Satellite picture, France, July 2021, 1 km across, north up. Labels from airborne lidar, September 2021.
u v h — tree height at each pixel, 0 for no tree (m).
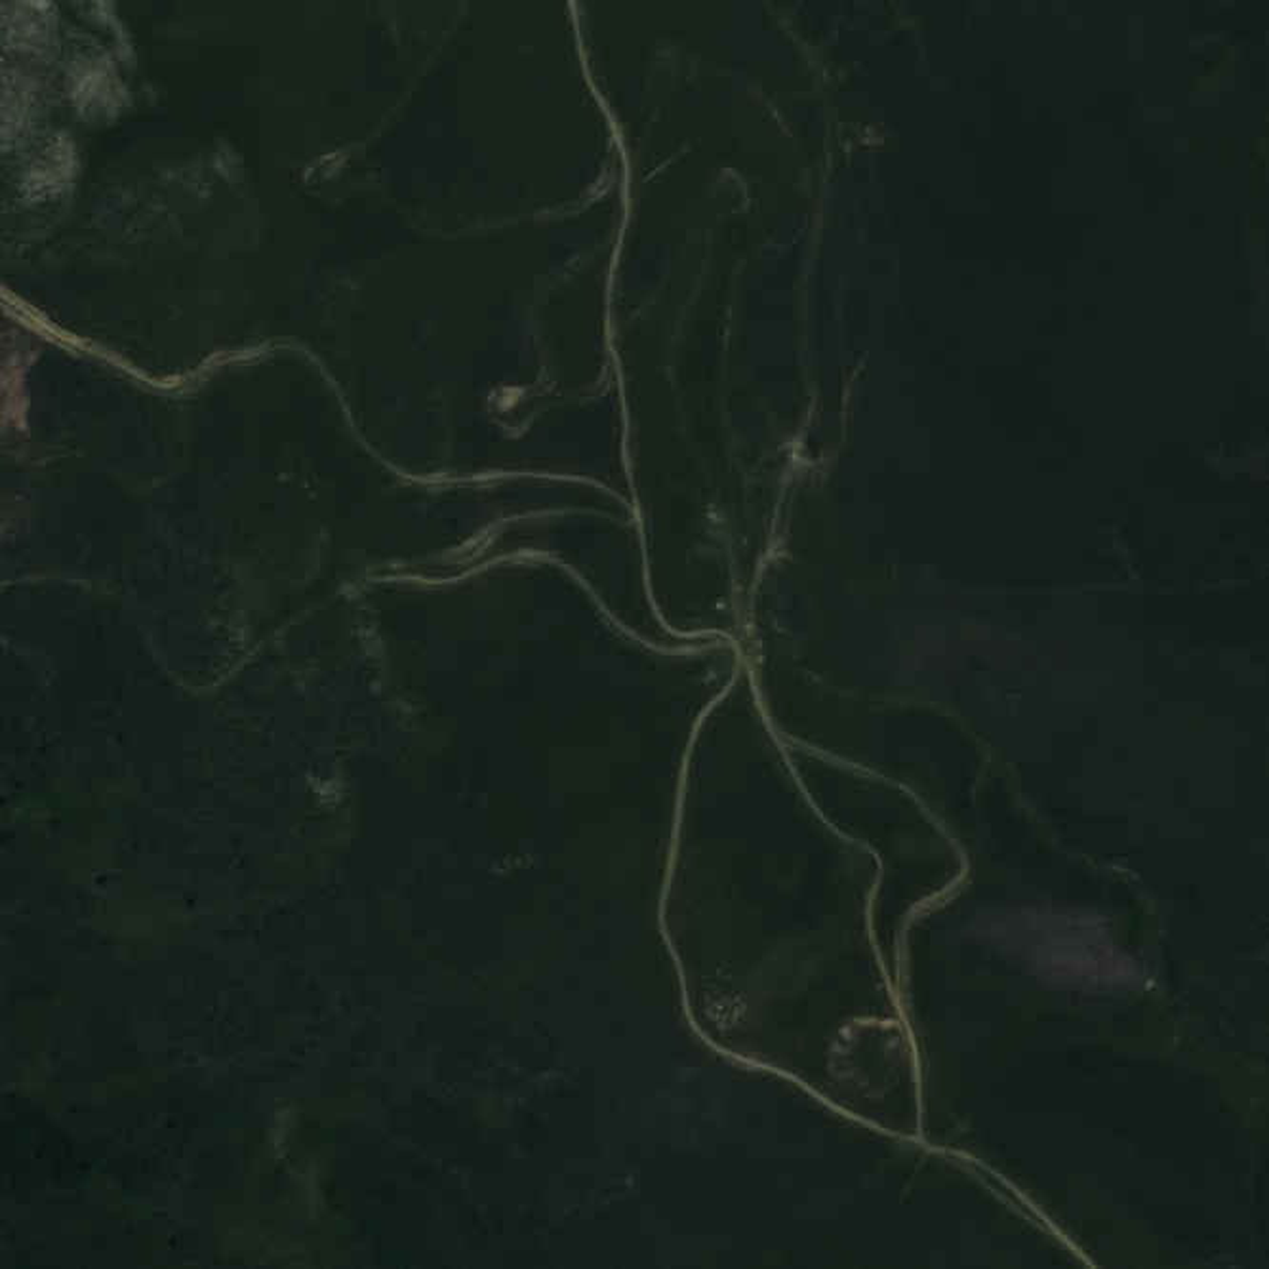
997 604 0
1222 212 0
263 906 0
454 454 0
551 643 0
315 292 0
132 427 0
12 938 0
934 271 0
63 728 0
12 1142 7
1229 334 0
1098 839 0
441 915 0
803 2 0
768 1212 0
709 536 0
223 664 0
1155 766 0
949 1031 0
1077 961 0
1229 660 0
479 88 0
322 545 0
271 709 0
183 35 0
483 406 0
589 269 0
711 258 0
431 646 0
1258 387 0
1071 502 0
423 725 0
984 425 0
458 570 0
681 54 0
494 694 0
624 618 0
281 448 0
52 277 0
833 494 0
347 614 0
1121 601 0
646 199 0
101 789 0
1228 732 0
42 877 0
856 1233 0
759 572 0
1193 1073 0
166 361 0
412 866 0
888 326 0
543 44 0
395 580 0
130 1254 0
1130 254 0
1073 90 0
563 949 0
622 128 0
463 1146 0
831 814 0
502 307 0
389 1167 0
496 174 0
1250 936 0
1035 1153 0
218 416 0
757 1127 0
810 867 0
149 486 0
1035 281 0
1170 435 0
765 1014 0
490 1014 0
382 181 0
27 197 0
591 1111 0
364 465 0
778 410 0
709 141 0
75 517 0
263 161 0
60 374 0
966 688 0
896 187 0
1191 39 0
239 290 0
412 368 0
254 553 0
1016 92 0
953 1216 0
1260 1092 0
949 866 0
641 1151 0
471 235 0
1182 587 0
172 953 0
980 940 0
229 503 0
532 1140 0
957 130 0
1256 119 0
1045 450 0
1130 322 0
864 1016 0
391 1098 0
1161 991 0
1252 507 0
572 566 0
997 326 0
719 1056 0
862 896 0
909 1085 0
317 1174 0
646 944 0
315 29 0
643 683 0
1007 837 0
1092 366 0
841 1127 0
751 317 0
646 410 0
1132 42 0
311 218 0
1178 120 0
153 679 0
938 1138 0
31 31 0
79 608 0
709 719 0
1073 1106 0
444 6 0
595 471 0
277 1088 0
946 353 0
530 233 0
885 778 0
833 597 0
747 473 0
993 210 0
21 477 0
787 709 0
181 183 0
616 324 0
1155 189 0
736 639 0
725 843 0
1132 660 0
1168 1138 0
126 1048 0
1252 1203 0
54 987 0
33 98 0
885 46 0
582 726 0
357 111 0
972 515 0
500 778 0
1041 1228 0
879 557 0
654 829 0
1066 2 0
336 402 0
